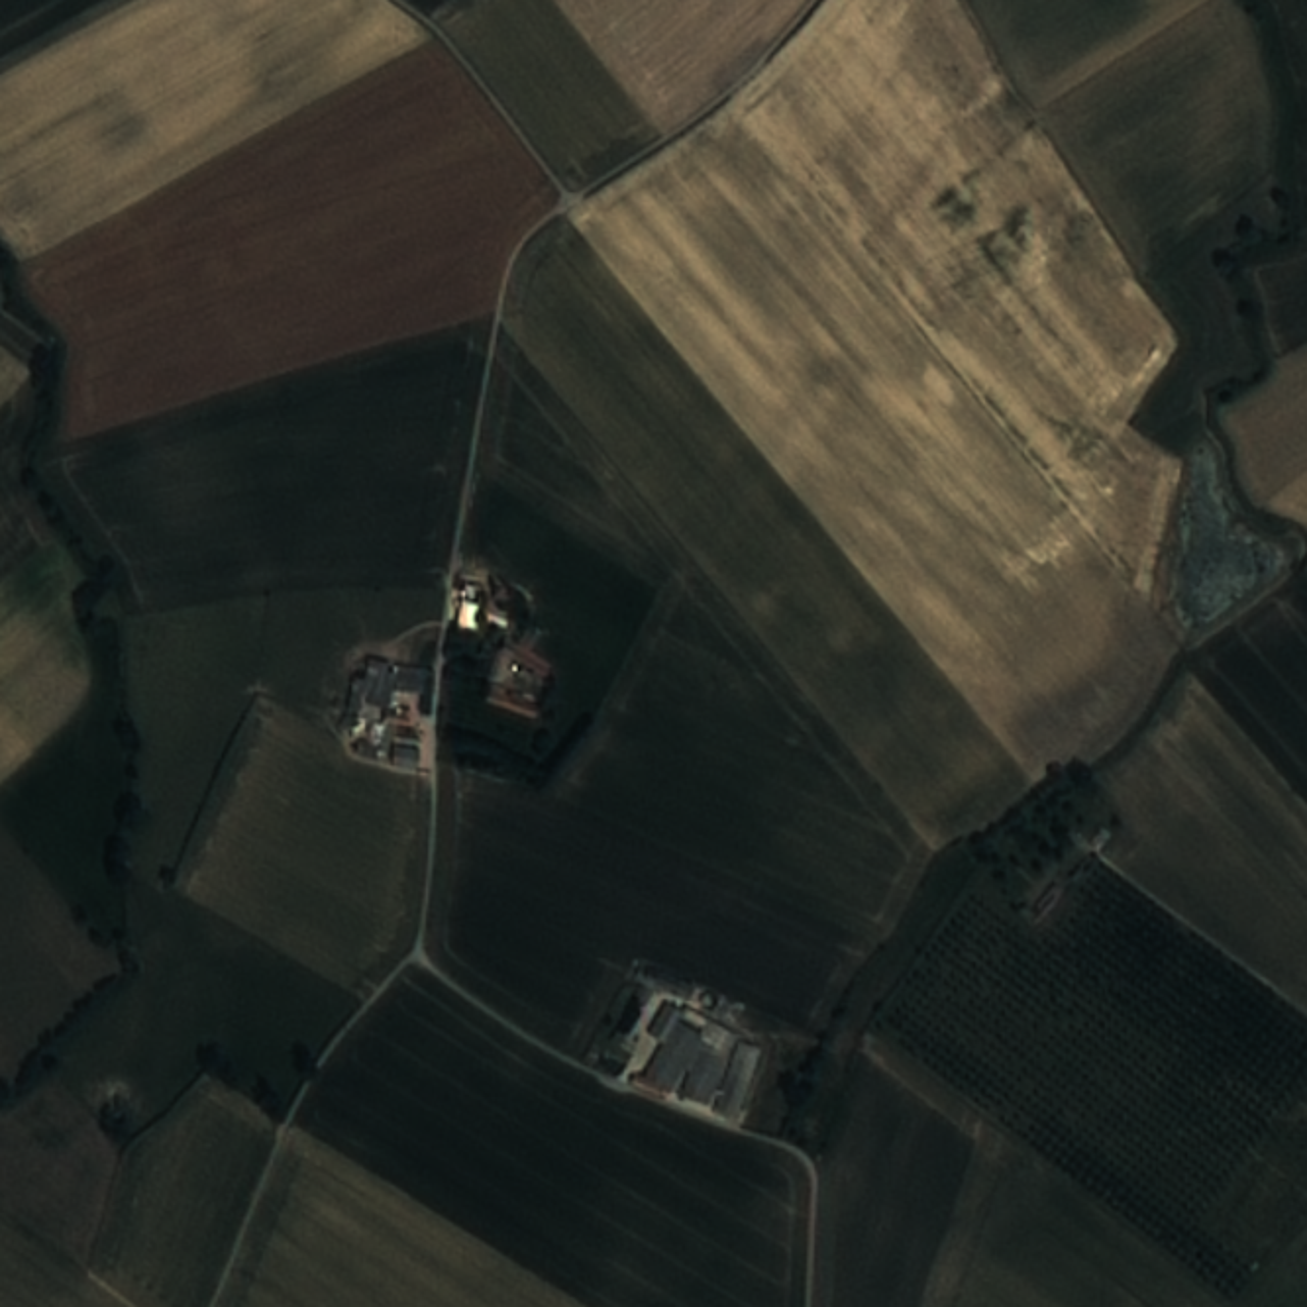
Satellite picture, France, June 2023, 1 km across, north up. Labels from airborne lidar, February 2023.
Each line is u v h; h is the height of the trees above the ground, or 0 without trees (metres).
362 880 0
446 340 0
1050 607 0
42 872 0
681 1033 0
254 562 0
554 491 0
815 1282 0
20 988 0
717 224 0
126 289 0
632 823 0
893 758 0
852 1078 0
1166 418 0
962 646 0
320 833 0
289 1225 0
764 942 0
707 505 0
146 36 0
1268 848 0
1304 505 0
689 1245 0
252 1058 0
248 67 0
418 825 0
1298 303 0
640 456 0
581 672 0
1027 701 0
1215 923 0
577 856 0
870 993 0
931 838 0
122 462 0
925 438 0
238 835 0
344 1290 0
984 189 0
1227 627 0
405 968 0
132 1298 0
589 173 0
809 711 0
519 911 0
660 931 0
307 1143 0
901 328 0
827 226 0
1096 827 0
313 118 0
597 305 0
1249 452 0
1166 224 0
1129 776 0
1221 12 0
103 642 0
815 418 0
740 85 0
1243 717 0
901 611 0
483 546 0
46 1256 0
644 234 0
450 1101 0
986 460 0
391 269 0
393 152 0
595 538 0
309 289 0
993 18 0
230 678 0
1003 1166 0
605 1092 0
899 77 0
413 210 0
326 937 0
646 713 0
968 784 0
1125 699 0
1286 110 0
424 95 0
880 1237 0
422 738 0
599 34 0
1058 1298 0
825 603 0
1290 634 0
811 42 0
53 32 0
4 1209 0
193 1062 0
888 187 0
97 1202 0
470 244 0
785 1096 17
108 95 0
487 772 6
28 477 12
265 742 0
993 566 0
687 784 0
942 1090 0
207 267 0
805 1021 0
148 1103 0
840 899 0
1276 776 0
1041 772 0
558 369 0
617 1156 0
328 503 0
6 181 0
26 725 0
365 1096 0
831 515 0
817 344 0
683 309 0
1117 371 0
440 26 0
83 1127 0
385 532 0
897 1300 0
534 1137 0
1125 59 0
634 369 0
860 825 0
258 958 0
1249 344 0
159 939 0
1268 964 0
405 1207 0
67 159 0
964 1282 0
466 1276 0
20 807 0
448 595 0
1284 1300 0
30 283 0
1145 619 0
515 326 0
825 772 0
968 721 0
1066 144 0
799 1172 0
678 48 0
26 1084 9
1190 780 0
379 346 0
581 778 0
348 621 0
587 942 0
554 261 0
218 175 0
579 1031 0
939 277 0
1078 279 0
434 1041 0
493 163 0
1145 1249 0
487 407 0
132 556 0
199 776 0
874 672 0
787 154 0
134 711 0
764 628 0
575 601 0
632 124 0
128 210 0
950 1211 0
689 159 0
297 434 0
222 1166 0
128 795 0
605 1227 0
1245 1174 0
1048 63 0
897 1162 0
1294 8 0
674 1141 0
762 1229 0
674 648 0
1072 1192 0
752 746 0
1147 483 0
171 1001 0
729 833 0
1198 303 0
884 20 0
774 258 0
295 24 0
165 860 0
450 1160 0
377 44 0
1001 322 0
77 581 0
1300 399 0
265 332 0
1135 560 0
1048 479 0
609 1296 0
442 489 0
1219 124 0
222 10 0
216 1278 0
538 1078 0
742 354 0
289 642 0
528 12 0
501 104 0
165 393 0
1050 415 0
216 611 0
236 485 0
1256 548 0
